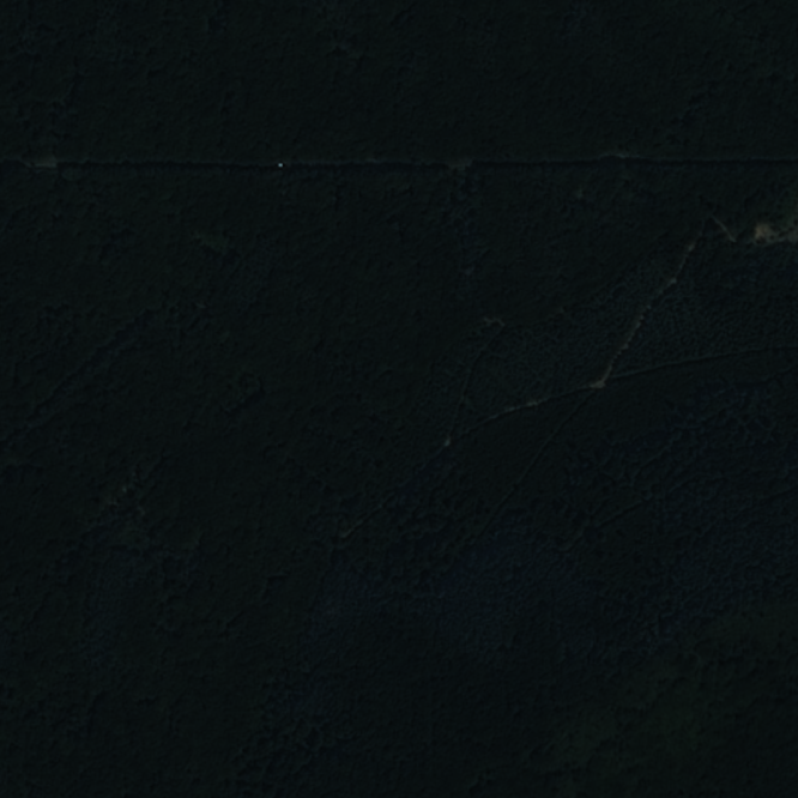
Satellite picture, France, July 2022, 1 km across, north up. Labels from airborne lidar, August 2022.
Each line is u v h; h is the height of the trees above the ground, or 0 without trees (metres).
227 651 21
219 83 23
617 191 11
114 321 21
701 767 22
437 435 10
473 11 21
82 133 21
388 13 19
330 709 27
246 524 22
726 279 23
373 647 21
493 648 24
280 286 21
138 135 21
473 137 22
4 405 16
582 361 10
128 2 20
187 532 20
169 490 20
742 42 16
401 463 9
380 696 26
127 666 17
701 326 13
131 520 6
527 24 25
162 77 21
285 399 19
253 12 21
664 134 21
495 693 19
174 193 19
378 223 25
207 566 26
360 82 24
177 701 22
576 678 24
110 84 14
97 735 20
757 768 23
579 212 20
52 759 21
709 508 23
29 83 20
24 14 21
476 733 20
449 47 21
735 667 19
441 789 20
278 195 21
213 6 13
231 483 20
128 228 17
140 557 19
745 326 11
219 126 22
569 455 7
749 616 8
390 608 22
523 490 7
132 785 24
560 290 21
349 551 8
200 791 21
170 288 19
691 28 19
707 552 18
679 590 18
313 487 24
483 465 9
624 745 12
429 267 24
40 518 21
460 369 10
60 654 20
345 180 16
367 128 24
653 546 6
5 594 22
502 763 14
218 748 20
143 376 21
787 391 8
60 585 19
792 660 13
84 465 20
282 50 20
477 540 6
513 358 11
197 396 19
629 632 9
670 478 17
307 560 22
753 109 22
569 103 22
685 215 22
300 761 18
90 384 20
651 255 12
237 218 21
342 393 19
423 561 19
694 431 16
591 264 21
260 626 24
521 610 22
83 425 22
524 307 19
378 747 24
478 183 19
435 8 23
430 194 22
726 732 20
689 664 17
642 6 22
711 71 23
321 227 24
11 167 20
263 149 24
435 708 24
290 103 25
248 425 20
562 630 18
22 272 25
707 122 24
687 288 13
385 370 24
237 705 23
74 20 18
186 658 20
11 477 23
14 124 23
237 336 20
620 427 7
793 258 11
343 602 26
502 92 22
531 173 20
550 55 23
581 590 19
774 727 18
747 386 7
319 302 20
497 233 21
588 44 22
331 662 21
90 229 19
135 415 24
